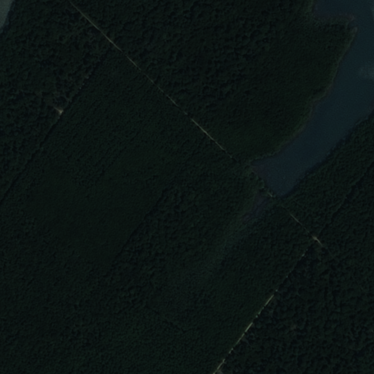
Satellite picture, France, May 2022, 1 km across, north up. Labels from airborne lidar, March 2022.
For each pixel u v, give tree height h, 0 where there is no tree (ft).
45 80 99
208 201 80
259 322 62
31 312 78
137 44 89
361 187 78
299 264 79
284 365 119
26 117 95
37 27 75
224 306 79
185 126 61
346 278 85
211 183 83
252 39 78
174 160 46
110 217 64
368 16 0
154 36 100
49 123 66
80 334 91
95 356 74
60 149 55
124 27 86
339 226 68
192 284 90
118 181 58
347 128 0
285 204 63
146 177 54
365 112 0
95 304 82
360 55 0
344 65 0
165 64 78
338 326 102
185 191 87
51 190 60
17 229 87
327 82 43
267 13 109
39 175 57
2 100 81
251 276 78
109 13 84
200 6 89
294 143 0
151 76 48
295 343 107
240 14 52
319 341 53
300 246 84
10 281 66
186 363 69
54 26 100
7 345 84
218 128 49
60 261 68
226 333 73
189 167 73
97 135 51
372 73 0
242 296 72
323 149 0
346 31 42
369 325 100
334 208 79
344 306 104
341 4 0
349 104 0
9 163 89
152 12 90
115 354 74
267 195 39
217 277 76
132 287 90
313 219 77
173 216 90
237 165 66
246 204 25
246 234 70
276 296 79
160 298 75
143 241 94
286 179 0
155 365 70
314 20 58
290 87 64
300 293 102
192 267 83
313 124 0
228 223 73
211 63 98
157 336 72
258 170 0
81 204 63
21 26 78
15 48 85
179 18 89
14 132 101
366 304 95
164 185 63
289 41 65
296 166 0
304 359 105
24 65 90
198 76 92
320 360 88
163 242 99
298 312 85
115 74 57
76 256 59
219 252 60
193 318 71
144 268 96
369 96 0
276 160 0
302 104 53
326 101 0
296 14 68
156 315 67
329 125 0
